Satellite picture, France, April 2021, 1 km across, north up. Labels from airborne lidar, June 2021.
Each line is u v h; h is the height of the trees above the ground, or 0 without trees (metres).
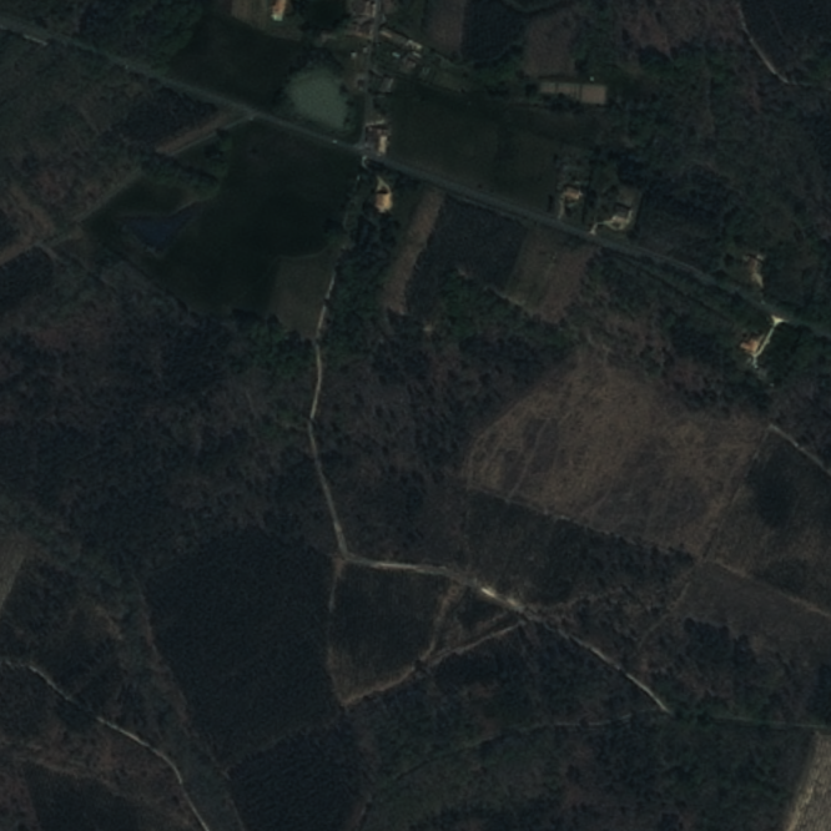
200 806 20
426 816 12
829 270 10
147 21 8
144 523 22
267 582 19
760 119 14
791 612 0
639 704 17
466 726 23
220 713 15
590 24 16
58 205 10
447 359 8
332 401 7
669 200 14
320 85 0
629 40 15
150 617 13
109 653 19
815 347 20
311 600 14
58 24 12
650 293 12
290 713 18
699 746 14
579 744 11
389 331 11
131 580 28
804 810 0
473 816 14
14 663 0
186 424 13
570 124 0
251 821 16
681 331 15
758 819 8
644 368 12
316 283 0
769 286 13
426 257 11
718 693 10
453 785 19
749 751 12
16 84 12
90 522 16
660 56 18
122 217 0
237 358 10
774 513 7
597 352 12
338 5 0
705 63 16
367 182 6
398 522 7
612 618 9
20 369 7
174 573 14
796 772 15
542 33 17
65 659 7
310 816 17
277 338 18
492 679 9
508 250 9
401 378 11
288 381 10
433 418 14
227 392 11
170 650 17
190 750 21
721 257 7
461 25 18
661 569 11
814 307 20
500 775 17
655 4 19
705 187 14
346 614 6
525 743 20
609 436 0
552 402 0
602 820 13
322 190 0
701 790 18
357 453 9
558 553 6
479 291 18
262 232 0
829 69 22
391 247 8
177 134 13
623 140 0
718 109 21
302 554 15
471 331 20
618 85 0
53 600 20
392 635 6
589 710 8
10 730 19
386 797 20
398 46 6
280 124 0
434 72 0
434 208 11
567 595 7
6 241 13
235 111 0
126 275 17
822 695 14
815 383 8
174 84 0
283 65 0
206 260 0
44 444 11
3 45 9
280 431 17
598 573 17
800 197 14
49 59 11
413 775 16
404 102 0
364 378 9
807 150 17
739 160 14
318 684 14
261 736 16
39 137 16
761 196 19
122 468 18
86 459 22
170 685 16
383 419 18
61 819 8
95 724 13
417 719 26
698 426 0
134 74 7
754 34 12
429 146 0
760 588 0
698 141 18
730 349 11
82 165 14
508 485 0
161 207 0
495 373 9
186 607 14
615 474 0
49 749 16
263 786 14
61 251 10
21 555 0
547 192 0
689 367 9
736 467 0
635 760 14
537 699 11
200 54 0
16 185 15
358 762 22
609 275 12
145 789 0
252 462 12
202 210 0
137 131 14
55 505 21
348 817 15
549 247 0
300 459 17
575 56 16
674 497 0
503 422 0
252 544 15
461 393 11
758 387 10
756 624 0
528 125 0
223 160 23
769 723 16
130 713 15
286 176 0
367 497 7
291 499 14
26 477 18
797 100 10
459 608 0
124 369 10
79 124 17
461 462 14
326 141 0
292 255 0
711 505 0
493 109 0
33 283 14
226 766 16
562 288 0
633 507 0
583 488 0
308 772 17
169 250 0
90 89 9
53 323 11
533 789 9
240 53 0
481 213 11
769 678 18
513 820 13
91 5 7
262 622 18
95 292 19
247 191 0
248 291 0
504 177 0
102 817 7
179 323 8
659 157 12
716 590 0
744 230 11
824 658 0
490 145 0
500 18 12
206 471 16
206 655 16
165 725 24
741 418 14
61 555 20
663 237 11
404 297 12
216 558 18
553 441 0
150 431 9
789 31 13
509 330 21
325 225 0
